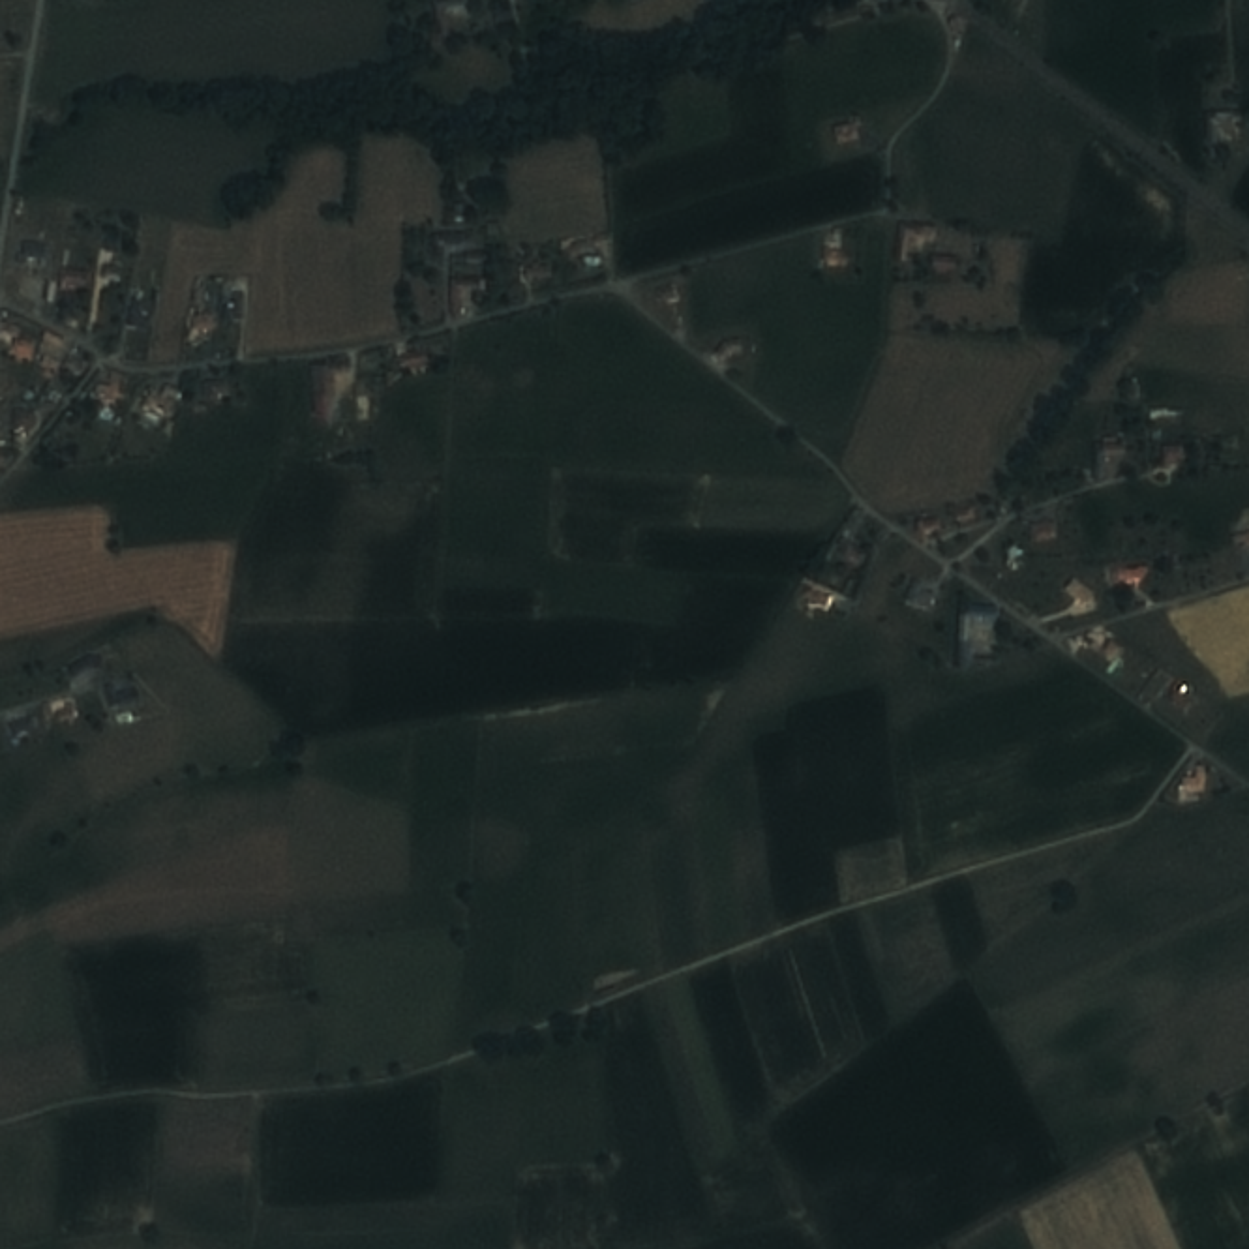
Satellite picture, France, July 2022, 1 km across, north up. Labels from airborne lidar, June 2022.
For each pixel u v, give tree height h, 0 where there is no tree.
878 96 0
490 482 0
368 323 0
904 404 0
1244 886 0
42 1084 0
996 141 0
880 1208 0
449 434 0
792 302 0
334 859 0
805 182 0
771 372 0
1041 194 0
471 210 15
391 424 0
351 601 0
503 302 12
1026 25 0
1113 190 0
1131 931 0
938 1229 0
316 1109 0
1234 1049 0
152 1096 0
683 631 0
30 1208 0
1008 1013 0
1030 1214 0
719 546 0
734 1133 0
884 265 0
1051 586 0
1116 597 14
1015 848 0
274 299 0
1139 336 0
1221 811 0
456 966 0
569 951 0
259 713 0
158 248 0
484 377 0
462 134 31
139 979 0
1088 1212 0
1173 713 0
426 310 0
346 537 0
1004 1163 0
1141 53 0
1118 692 0
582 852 0
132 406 0
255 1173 0
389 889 0
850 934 0
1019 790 0
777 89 0
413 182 0
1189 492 0
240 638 0
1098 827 0
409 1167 0
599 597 0
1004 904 0
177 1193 0
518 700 0
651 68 20
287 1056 0
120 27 0
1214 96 0
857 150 0
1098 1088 0
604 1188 0
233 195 20
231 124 18
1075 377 21
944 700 0
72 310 12
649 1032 0
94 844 0
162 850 0
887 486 0
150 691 0
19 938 0
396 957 0
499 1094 0
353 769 0
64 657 0
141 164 0
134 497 0
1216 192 0
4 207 0
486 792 0
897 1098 0
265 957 0
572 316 0
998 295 0
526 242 7
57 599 0
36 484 0
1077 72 0
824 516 0
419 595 0
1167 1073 0
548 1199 0
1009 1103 0
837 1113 0
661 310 0
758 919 0
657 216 0
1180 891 0
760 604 0
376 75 20
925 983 0
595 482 0
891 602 0
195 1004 0
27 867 0
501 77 0
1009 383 0
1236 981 0
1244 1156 0
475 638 0
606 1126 0
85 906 0
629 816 0
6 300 0
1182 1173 0
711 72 17
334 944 0
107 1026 0
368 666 0
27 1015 0
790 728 0
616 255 0
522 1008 0
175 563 0
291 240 0
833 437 0
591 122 25
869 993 0
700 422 0
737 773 0
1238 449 0
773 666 0
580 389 0
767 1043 0
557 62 18
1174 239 0
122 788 0
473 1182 0
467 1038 0
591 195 0
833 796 0
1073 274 0
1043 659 0
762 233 0
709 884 0
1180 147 0
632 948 0
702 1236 0
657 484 0
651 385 0
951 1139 0
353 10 0
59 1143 0
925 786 0
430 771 0
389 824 0
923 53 0
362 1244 0
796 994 0
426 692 0
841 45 0
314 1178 0
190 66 0
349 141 18
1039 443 16
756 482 0
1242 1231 0
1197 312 0
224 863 0
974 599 0
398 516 0
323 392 0
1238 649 0
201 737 0
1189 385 0
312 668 0
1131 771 0
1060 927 0
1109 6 0
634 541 0
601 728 0
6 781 0
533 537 0
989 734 0
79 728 0
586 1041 8
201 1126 0
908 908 0
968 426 0
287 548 0
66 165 0
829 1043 0
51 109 0
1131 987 0
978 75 0
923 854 0
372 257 0
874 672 0
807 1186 0
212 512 0
